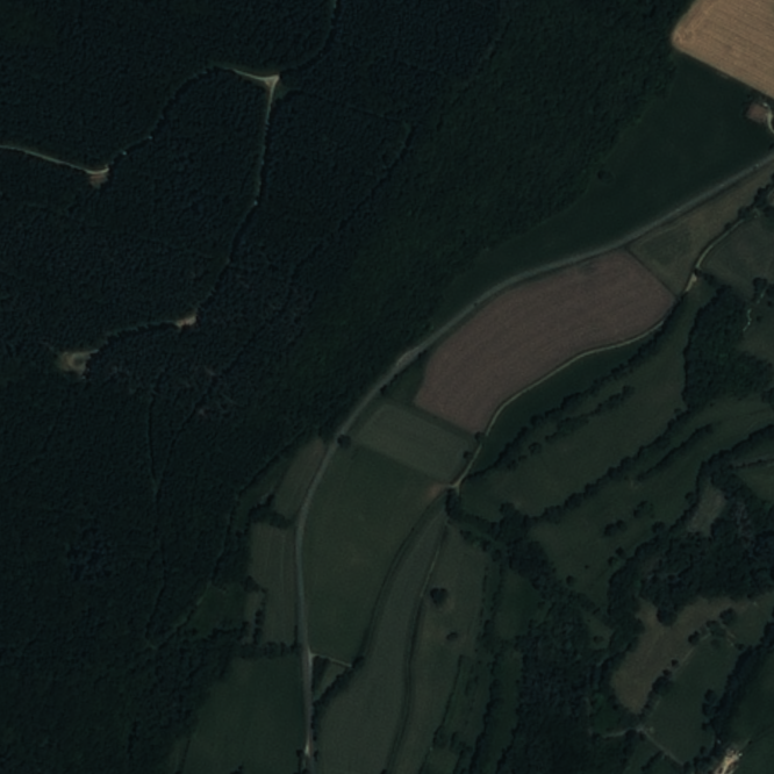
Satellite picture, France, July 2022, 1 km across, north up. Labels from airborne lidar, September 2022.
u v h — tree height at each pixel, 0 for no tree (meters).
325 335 14
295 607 0
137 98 27
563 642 22
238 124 24
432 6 17
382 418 0
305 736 0
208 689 23
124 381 25
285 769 0
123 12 21
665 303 0
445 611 0
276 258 28
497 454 0
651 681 0
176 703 16
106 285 28
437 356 0
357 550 0
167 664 18
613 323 0
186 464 18
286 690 0
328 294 20
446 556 0
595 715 7
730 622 20
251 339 17
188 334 22
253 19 23
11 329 27
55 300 22
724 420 0
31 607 20
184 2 17
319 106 20
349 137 18
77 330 25
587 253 0
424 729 0
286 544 0
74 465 17
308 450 0
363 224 18
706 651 0
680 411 9
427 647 0
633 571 15
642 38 14
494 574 0
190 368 29
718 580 20
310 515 0
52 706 24
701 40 0
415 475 0
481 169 15
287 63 21
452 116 12
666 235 0
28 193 25
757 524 14
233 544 18
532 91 12
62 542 17
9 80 17
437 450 0
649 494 0
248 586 22
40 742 24
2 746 24
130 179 19
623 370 16
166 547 18
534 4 12
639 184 0
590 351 0
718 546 12
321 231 24
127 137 20
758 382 9
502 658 15
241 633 13
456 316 0
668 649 0
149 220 24
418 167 13
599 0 21
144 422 16
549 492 0
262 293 27
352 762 0
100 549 28
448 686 0
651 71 10
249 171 15
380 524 0
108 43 22
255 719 0
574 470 0
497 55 11
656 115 0
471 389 0
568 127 7
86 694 24
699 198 0
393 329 14
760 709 0
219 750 0
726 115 0
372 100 16
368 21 20
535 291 0
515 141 12
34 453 20
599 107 16
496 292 0
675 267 0
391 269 9
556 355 0
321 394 14
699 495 7
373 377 14
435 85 19
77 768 22
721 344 10
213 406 24
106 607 23
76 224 22
